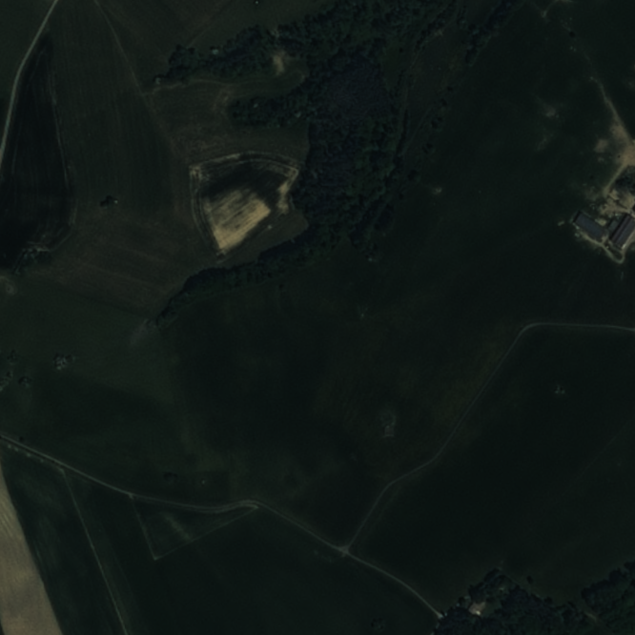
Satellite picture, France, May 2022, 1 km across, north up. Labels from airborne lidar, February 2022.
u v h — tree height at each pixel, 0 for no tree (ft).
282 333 0
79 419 0
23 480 0
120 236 0
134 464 0
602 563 0
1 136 0
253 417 0
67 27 0
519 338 0
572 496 0
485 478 0
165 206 0
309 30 102
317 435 0
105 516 0
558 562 0
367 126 106
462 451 0
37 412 0
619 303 0
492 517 0
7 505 0
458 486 0
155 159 0
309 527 0
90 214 0
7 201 0
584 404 0
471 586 0
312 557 0
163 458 0
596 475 0
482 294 0
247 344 0
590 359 0
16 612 0
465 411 0
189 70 72
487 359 0
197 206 0
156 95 0
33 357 0
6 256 0
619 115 0
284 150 0
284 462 0
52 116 0
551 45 0
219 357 0
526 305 0
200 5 0
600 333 0
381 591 0
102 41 0
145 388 0
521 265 0
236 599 0
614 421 0
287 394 0
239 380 0
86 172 0
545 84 0
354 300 0
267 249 0
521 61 0
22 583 0
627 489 0
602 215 0
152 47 0
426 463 0
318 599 0
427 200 0
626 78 0
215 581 0
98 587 0
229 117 0
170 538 0
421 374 0
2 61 0
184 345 0
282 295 0
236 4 0
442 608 0
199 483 0
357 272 0
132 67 0
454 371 0
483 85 0
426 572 0
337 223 80
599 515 0
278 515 0
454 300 0
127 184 0
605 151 0
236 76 44
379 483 0
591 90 0
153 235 0
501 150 0
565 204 0
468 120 0
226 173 0
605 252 0
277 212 0
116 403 0
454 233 0
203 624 0
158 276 0
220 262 0
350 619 0
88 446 0
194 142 0
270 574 0
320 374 0
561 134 0
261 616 0
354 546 0
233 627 0
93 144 0
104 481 0
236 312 0
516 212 0
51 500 0
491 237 0
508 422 0
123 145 0
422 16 22
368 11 100
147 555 0
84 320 0
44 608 0
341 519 0
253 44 102
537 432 0
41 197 0
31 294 0
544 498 0
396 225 0
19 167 0
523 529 0
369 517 0
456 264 0
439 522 0
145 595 0
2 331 0
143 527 0
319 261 0
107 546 0
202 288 82
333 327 0
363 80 107
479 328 0
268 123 38
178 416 0
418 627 0
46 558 0
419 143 0
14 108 0
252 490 0
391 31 84
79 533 0
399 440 0
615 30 0
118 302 0
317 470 0
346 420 0
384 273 0
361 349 0
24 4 0
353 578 0
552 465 0
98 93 0
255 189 0
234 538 0
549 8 0
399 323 0
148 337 0
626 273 0
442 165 0
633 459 0
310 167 49
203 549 0
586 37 0
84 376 0
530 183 0
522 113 0
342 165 102
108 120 0
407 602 0
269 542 0
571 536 0
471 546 0
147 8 0
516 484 0
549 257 0
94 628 0
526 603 90
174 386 0
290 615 0
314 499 0
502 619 53
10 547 0
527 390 0
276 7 0
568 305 0
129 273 0
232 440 0
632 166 0
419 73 0
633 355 0
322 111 79
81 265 0
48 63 0
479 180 0
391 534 0
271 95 0
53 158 0
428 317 0
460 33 0
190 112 0
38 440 0
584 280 0
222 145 0
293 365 0
